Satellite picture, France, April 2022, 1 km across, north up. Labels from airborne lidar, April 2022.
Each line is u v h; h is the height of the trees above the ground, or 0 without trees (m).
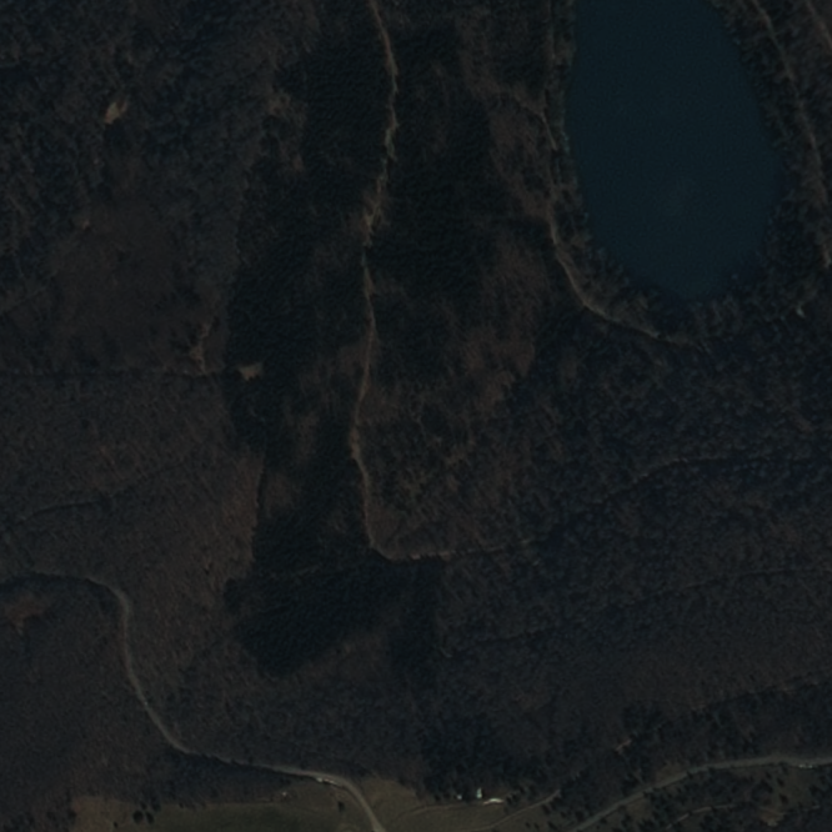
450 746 17
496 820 0
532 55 25
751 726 12
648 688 17
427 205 28
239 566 22
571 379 26
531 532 22
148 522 23
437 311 22
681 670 21
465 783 8
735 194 0
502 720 20
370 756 17
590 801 14
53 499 23
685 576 24
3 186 31
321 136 17
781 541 25
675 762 9
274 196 19
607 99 0
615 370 18
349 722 23
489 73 21
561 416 6
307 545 23
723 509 32
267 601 16
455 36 29
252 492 15
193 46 16
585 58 0
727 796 9
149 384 24
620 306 21
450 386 18
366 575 22
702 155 0
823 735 10
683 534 24
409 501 10
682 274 0
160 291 9
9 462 26
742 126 0
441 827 0
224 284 18
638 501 27
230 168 17
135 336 12
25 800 13
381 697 23
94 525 23
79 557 22
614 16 0
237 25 18
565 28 21
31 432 24
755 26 13
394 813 0
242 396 17
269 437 17
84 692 19
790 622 22
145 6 13
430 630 18
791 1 6
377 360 20
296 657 17
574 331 11
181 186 10
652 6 0
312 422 15
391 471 15
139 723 15
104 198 14
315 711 20
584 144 0
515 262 21
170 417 24
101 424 24
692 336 28
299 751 15
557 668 22
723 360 36
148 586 21
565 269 17
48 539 21
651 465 26
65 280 14
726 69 0
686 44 0
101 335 12
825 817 9
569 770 11
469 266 21
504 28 20
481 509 23
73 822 12
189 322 7
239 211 15
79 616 18
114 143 15
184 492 22
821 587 22
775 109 19
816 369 11
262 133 16
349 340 21
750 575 22
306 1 18
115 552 23
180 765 20
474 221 21
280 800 0
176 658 25
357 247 20
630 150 0
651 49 0
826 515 25
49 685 18
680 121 0
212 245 19
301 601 15
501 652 25
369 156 17
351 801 0
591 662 22
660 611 22
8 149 31
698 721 19
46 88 24
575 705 18
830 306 17
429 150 18
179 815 0
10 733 15
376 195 17
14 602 16
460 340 19
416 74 22
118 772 14
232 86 16
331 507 19
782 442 23
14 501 20
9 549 23
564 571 26
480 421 12
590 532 27
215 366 11
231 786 11
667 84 0
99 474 26
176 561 21
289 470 17
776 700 12
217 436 20
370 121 22
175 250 10
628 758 10
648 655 20
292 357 20
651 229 0
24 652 16
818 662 14
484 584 27
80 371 12
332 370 16
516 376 15
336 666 13
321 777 0
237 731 22
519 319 20
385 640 15
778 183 0
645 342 16
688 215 0
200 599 27
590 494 30
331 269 17
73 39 27
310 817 0
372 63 18
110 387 7
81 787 13
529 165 12
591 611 26
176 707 22
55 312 10
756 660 20
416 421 13
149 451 25
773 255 20
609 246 0
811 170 29
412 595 15
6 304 29
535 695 22
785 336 24
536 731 19
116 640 10
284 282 21
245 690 22
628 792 11
